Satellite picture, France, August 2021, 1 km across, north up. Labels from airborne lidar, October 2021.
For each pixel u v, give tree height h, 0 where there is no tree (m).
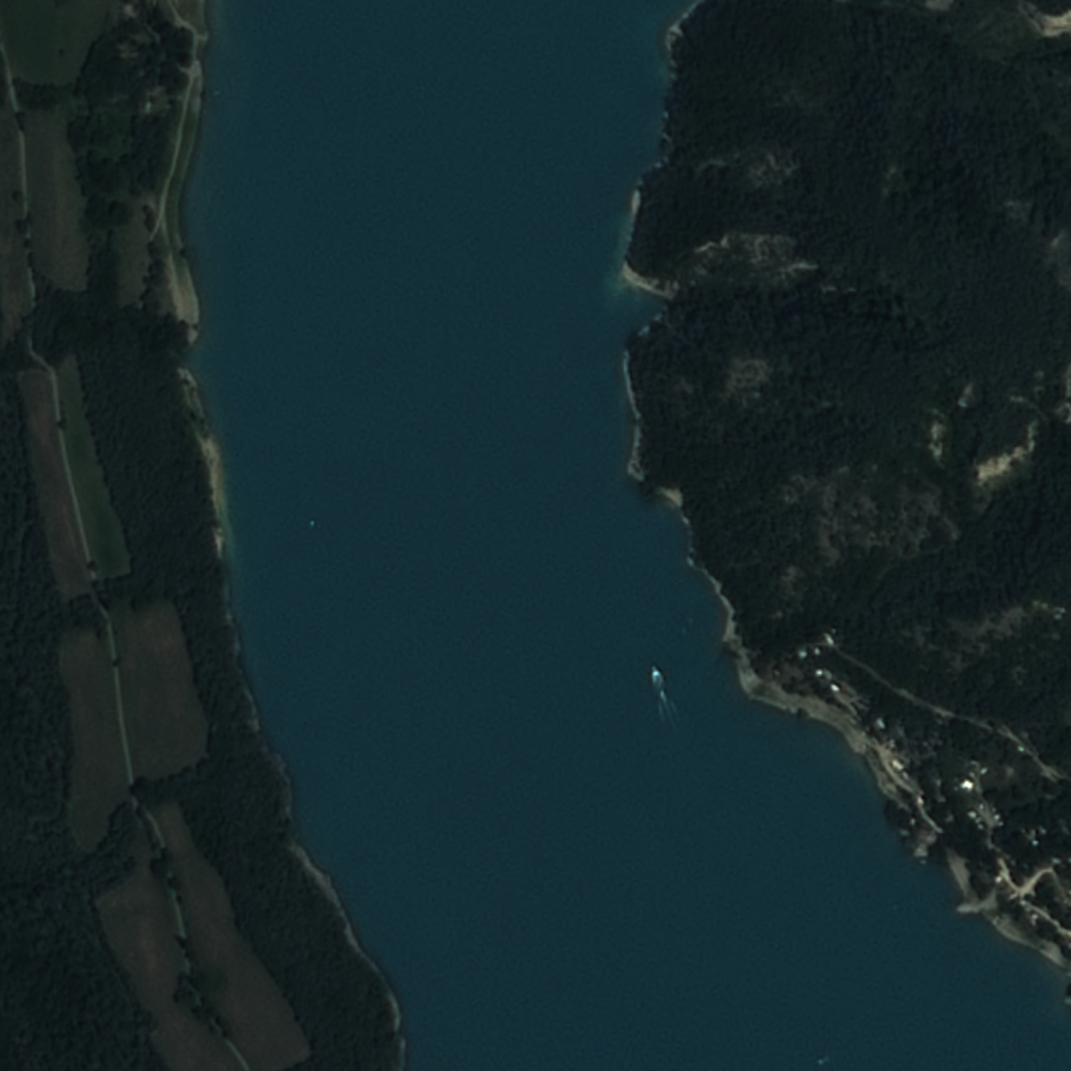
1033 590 6
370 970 14
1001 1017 0
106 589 13
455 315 0
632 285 0
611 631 0
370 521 0
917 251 7
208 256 0
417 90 0
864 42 7
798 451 6
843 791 0
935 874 0
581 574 0
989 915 0
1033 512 8
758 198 8
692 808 0
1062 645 10
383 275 0
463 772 0
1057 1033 0
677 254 6
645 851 0
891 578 10
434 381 0
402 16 0
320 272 0
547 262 0
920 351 9
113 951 13
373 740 0
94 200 16
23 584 21
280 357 0
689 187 11
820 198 15
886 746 0
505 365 0
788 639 13
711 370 7
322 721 0
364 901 0
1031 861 15
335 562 0
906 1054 0
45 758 22
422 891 0
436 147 0
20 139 0
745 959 0
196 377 0
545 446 0
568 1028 0
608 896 0
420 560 0
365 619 0
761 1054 0
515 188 0
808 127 9
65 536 0
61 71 0
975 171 14
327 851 0
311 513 0
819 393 7
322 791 0
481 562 0
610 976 0
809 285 16
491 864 0
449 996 0
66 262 0
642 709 0
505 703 0
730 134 6
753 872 0
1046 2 8
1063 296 8
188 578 16
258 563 0
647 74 0
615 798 0
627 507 0
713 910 0
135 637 0
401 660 0
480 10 0
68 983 17
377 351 0
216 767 15
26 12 0
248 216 0
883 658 8
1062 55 9
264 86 0
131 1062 19
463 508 0
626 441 0
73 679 0
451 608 0
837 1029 0
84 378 12
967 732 13
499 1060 0
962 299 9
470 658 0
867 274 10
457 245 0
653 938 0
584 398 0
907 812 10
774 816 0
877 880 0
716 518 8
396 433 0
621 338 0
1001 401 10
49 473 0
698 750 0
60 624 11
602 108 0
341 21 0
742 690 0
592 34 0
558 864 0
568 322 0
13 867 15
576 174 0
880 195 9
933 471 10
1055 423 14
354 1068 12
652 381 8
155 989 0
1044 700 9
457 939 0
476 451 0
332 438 0
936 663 6
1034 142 10
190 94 0
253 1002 0
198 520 16
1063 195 8
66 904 21
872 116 10
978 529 10
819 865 0
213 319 0
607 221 0
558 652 0
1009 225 8
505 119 0
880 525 9
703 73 11
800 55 6
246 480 0
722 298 7
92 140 13
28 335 12
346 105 0
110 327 17
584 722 0
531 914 0
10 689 12
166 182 0
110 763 0
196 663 8
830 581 7
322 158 0
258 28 0
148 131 17
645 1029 0
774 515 8
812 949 0
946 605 11
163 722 0
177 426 11
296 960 14
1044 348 9
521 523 0
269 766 7
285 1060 0
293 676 0
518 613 0
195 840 6
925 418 8
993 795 11
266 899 15
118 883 11
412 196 0
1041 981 0
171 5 0
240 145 0
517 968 0
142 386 16
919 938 0
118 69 15
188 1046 0
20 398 11
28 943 16
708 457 10
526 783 0
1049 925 8
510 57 0
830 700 8
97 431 8
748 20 13
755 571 7
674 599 0
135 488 13
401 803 0
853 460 7
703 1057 0
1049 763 13
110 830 6
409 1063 0
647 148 0
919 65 6
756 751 0
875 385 13
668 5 0
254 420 0
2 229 0
